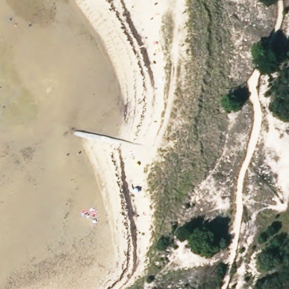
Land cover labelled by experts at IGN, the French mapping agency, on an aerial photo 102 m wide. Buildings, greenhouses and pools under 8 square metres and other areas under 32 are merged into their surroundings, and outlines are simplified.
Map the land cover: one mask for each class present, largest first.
<instances>
[{"label":"bare soil","instance_id":"1","mask_svg":"<svg viewBox=\"0 0 289 289\"><path fill-rule=\"evenodd\" d=\"M279 0H0V289H222L228 268L225 262L230 255L229 245L234 238L229 230L233 227L237 209L238 176L247 155L254 126V106L249 99L248 80L257 70L253 63L252 49L257 43L275 30ZM172 222L184 226L191 234L195 229L202 233L212 231L213 235L208 237L205 243L216 247L220 253L210 259L194 254L190 248L185 247L187 240L181 242L173 233ZM269 89V77L260 73L256 91L262 111L261 125L266 132L264 143H256L252 158L249 160L242 195V221L251 220L252 213L256 210L257 234L270 226L274 230L281 228L283 233L289 231V123L279 120L270 111V97H265ZM265 249L264 244L255 237L248 248V253L231 266L230 274L235 275L240 265L245 263V282L242 289H254L260 278V272L256 269V256Z\"/></svg>","mask_w":289,"mask_h":289},{"label":"pervious surface","instance_id":"2","mask_svg":"<svg viewBox=\"0 0 289 289\"><path fill-rule=\"evenodd\" d=\"M261 50H271L275 56L282 55L289 61V0H279L275 30L257 43ZM260 73L257 70L248 80L249 99L254 106V126L247 155L238 176L237 209L233 227L229 230L234 238L229 245L230 255L225 262L228 268L222 289H242L245 282V263L240 265L235 275L230 274L231 266L248 253V248L255 237L257 234L256 210L252 213L251 220L242 221V195L249 160L252 158L256 143H264L266 132L261 125L262 111L256 91Z\"/></svg>","mask_w":289,"mask_h":289},{"label":"deciduous trees","instance_id":"3","mask_svg":"<svg viewBox=\"0 0 289 289\"><path fill-rule=\"evenodd\" d=\"M173 233L181 242L187 240L185 247L190 248L194 254L210 259L220 253L216 247L205 243L208 237L213 235L212 231L202 233L195 229L191 234L184 226L172 222ZM264 244L265 249L256 256V269L260 272V278L254 289H289V231L283 233L281 228L274 230L270 226L257 234L255 237Z\"/></svg>","mask_w":289,"mask_h":289},{"label":"brushwood","instance_id":"4","mask_svg":"<svg viewBox=\"0 0 289 289\"><path fill-rule=\"evenodd\" d=\"M253 63L257 70L260 73L269 77V89L265 97H270V111L279 120L289 123V61L282 55L275 56L271 50H261L257 43L252 49Z\"/></svg>","mask_w":289,"mask_h":289}]
</instances>
